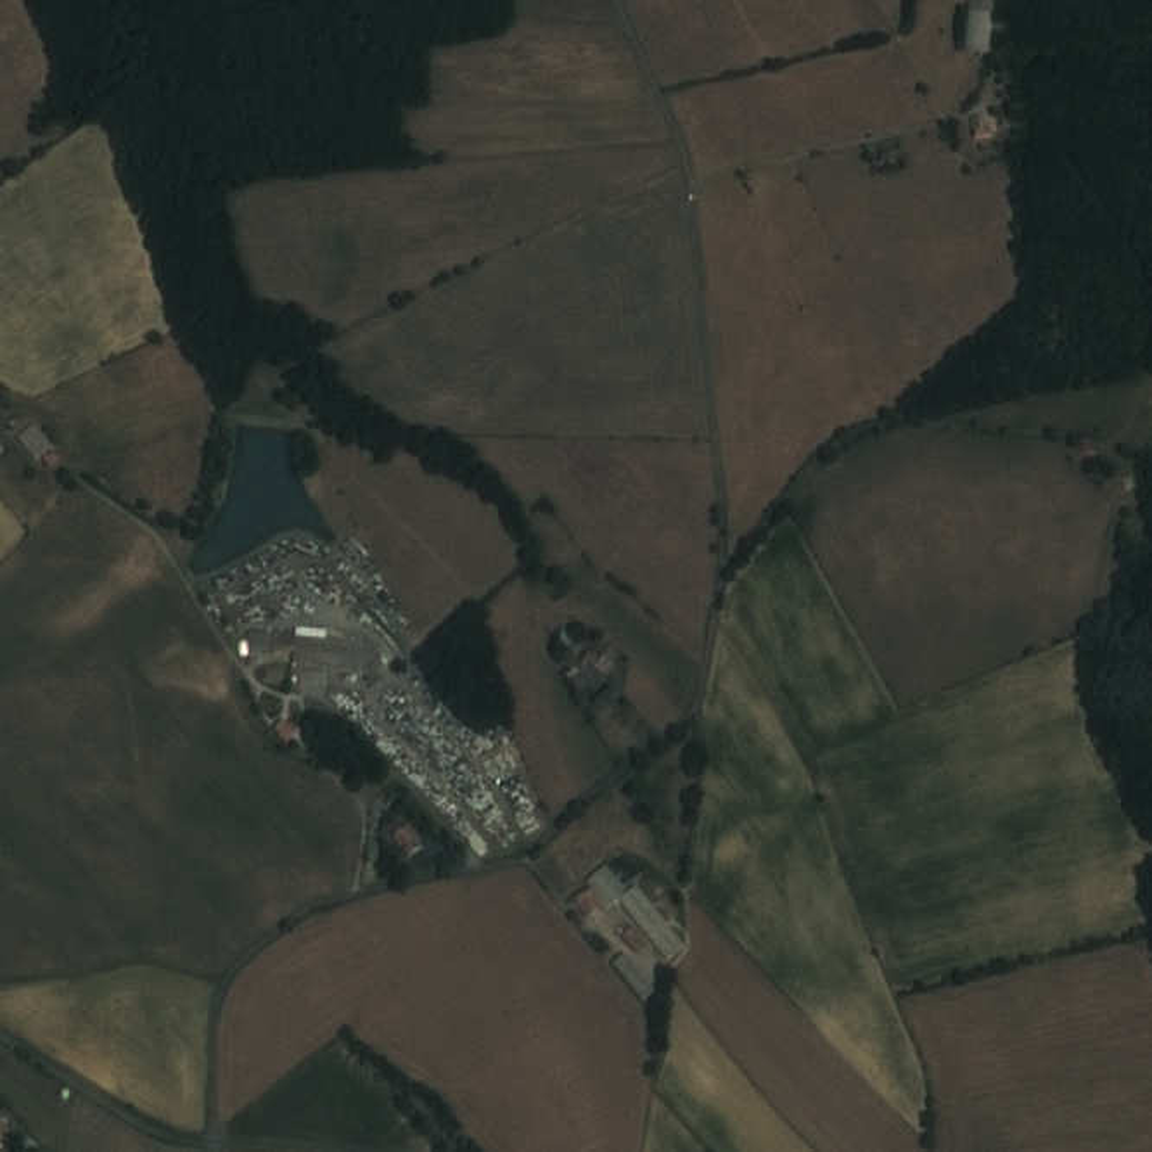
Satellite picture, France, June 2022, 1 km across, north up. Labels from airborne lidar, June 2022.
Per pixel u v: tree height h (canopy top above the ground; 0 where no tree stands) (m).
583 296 0
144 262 0
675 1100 0
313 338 16
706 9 0
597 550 0
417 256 0
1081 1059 0
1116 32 12
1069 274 16
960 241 0
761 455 0
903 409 8
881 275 0
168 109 27
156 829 0
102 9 20
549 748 0
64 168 0
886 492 0
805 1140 0
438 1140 7
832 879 0
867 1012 0
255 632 0
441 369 0
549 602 0
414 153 14
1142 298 11
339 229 0
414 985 0
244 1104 0
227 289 27
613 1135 0
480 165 0
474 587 0
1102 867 0
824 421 0
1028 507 0
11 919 0
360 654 0
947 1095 0
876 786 0
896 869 0
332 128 20
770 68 11
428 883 0
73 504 0
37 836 0
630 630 0
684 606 0
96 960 0
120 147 14
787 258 0
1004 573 0
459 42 11
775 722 0
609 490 0
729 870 0
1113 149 17
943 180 0
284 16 23
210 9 23
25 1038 0
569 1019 0
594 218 0
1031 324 18
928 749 0
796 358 0
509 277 0
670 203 0
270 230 0
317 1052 0
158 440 0
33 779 0
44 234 0
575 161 0
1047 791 0
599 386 0
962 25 10
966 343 11
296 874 0
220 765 0
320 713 13
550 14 0
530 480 0
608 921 0
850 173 0
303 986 0
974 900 0
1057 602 0
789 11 0
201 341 17
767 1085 0
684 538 0
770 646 0
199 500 11
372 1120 0
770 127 0
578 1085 0
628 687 0
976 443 0
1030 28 15
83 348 0
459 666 21
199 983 0
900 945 0
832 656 0
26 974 0
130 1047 0
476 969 0
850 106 0
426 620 0
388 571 0
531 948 0
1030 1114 0
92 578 0
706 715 0
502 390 0
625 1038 0
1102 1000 0
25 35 0
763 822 0
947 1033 0
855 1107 0
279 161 17
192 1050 0
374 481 0
